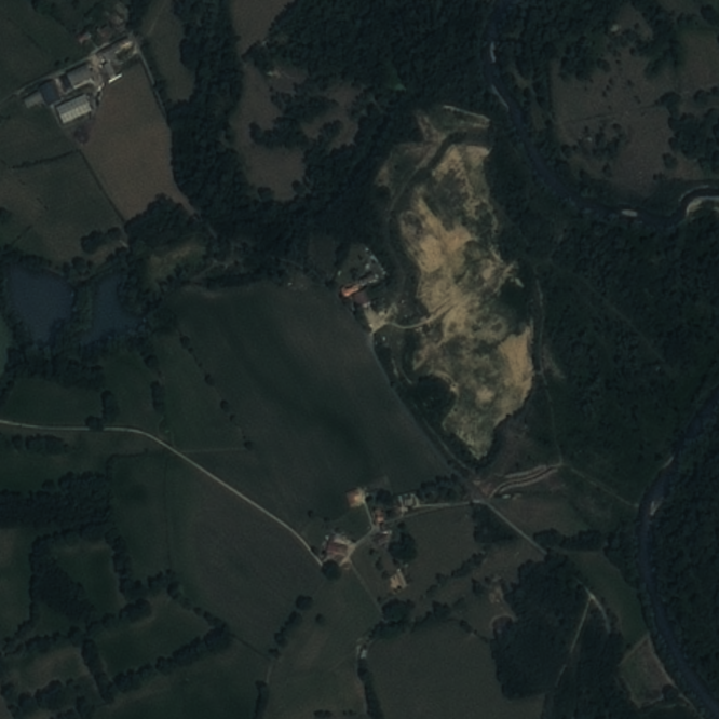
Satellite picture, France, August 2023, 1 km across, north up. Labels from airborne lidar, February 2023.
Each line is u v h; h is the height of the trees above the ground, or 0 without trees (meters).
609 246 9
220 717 0
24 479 0
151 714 0
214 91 22
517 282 0
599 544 19
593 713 11
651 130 0
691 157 18
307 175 0
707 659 6
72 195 0
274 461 0
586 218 13
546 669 12
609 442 6
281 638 13
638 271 7
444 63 9
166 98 10
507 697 8
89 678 0
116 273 0
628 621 0
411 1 19
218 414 0
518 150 7
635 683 0
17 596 0
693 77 0
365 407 0
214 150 19
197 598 0
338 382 0
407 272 0
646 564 0
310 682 0
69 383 26
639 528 6
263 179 0
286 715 0
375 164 16
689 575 18
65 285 0
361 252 0
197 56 22
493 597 0
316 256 0
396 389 7
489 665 0
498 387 0
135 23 13
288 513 0
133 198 0
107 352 12
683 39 0
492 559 0
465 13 30
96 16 0
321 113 12
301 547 0
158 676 19
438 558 0
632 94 0
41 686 0
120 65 0
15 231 0
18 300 0
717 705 0
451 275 0
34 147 0
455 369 0
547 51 17
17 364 17
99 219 0
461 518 0
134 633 0
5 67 0
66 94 0
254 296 0
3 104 0
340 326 0
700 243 7
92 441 0
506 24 26
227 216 18
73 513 20
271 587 0
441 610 20
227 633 18
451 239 0
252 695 0
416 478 0
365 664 11
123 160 0
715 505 18
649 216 0
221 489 0
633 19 0
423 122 0
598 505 31
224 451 0
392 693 0
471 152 0
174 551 0
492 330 0
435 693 0
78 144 0
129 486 0
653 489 0
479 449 0
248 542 0
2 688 0
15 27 0
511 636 18
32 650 18
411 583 6
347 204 15
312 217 20
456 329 0
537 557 0
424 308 0
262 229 13
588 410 18
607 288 14
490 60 0
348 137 0
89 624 11
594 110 0
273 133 0
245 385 0
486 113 6
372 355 0
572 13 6
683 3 0
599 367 8
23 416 0
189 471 0
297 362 0
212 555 0
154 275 0
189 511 0
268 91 0
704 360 26
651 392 34
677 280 18
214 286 14
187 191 25
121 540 16
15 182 0
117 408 18
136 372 0
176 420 0
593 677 16
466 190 0
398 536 0
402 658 0
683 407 36
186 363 0
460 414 0
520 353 0
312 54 20
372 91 12
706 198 0
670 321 7
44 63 0
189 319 0
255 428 0
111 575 0
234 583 0
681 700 6
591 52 16
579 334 35
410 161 0
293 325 0
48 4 20
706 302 19
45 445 19
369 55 21
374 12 18
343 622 0
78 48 0
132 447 0
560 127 0
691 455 32
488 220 0
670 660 16
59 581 21
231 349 0
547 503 0
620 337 24
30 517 21
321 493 0
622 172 0
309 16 15
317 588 0
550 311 24
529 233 13
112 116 0
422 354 0
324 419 0
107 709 0
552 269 18
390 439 0
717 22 19
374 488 0
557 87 0
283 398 0
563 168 26
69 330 26
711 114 6
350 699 0
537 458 25
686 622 25
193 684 0
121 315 0
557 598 17
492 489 10
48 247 0
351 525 0
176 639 0
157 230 21
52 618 0
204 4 12
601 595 0
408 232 0
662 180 9
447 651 0
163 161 0
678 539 19
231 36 18
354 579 0
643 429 34
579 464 32
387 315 0
